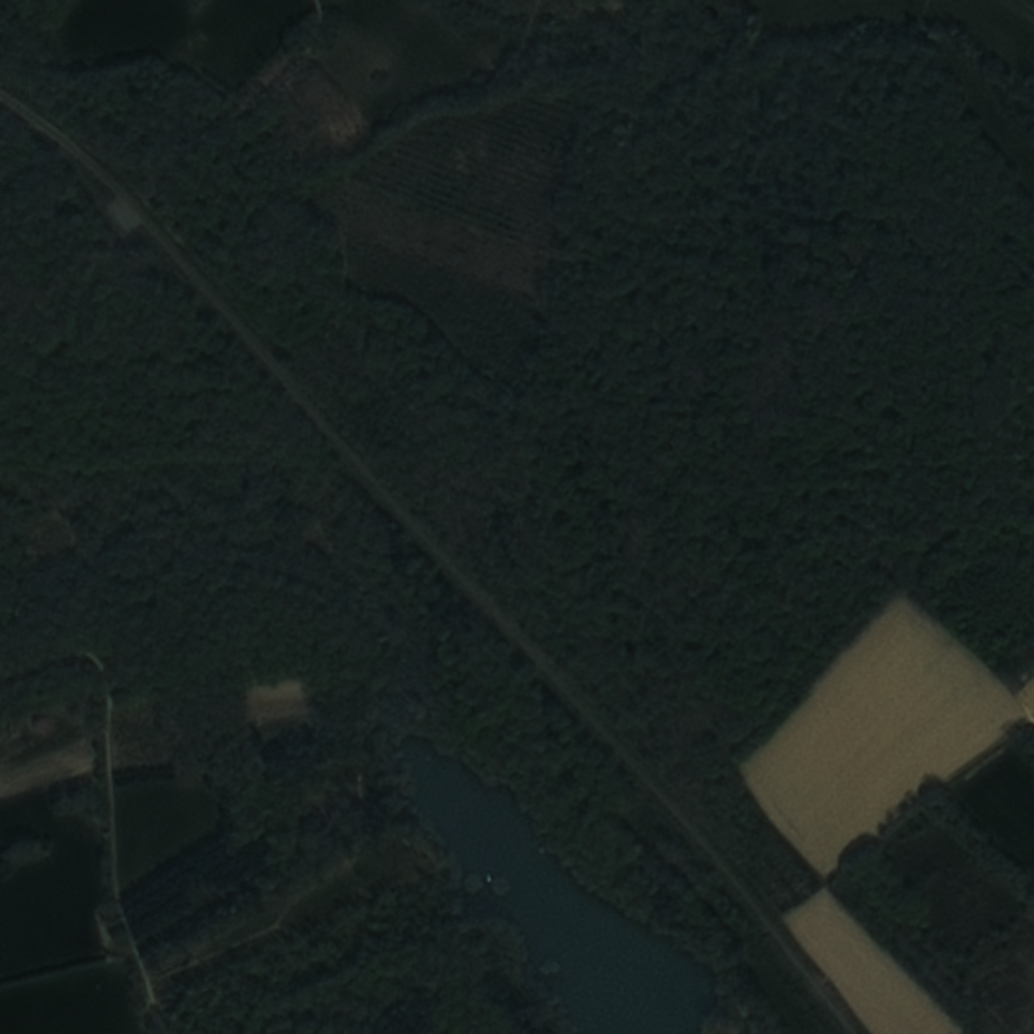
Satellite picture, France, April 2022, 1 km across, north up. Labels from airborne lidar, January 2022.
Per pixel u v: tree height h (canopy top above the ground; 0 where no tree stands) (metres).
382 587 16
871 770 0
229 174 21
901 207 29
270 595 21
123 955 14
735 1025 28
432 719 6
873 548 24
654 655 28
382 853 28
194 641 24
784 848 10
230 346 18
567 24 9
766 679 17
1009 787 0
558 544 26
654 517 26
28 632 28
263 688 0
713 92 22
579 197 24
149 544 25
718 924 22
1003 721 0
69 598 27
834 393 26
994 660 15
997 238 22
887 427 25
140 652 26
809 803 0
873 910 24
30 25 25
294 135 22
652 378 25
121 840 0
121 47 0
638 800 26
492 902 0
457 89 7
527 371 25
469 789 0
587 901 0
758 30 22
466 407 26
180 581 22
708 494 24
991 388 28
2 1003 0
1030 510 23
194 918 24
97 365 25
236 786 20
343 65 0
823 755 0
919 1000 0
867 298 26
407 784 8
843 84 26
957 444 26
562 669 21
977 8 0
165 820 0
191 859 17
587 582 23
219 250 25
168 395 22
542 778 27
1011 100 22
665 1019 0
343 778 0
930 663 0
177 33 0
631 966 0
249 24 0
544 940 0
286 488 23
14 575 16
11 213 24
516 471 25
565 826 24
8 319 26
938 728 0
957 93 26
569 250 23
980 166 29
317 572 25
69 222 26
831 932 0
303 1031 21
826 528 23
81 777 0
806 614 24
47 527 0
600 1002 0
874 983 0
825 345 25
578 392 21
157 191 20
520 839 0
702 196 19
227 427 22
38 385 28
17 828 0
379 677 33
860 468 22
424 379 25
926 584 23
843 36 22
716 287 28
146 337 24
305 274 25
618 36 19
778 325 27
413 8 0
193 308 22
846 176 26
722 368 24
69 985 0
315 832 24
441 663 23
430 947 25
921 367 31
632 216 21
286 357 19
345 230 21
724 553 26
